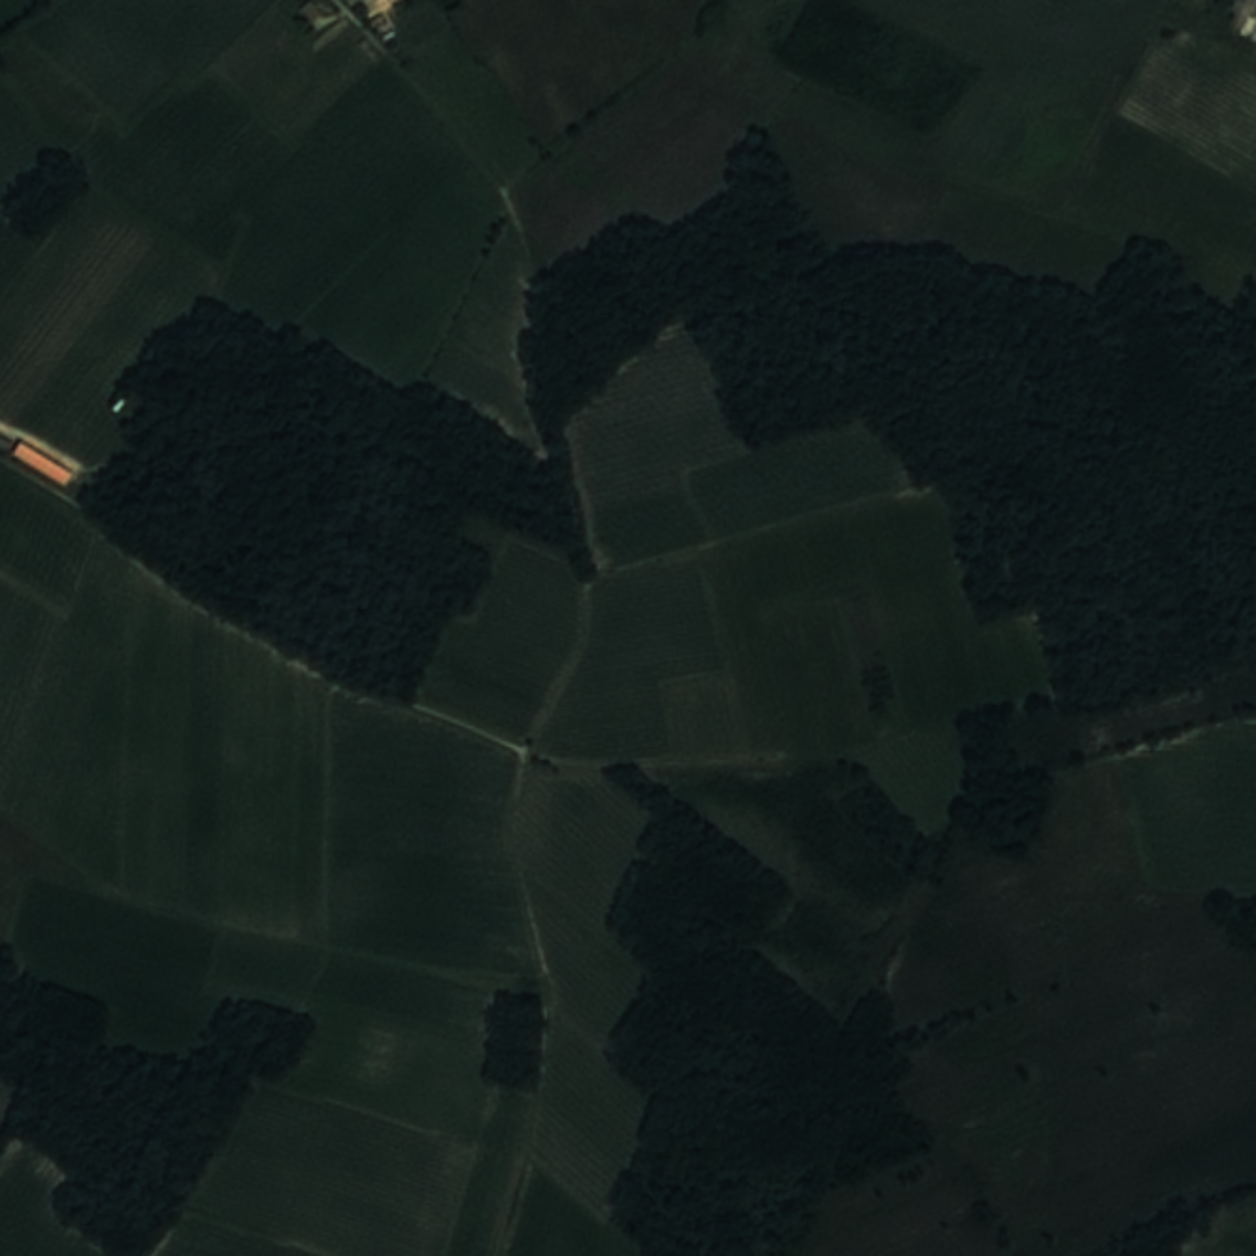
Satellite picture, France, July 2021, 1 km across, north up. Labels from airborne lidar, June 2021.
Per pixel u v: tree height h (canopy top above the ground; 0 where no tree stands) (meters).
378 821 0
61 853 0
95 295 0
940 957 0
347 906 0
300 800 0
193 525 26
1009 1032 0
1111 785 0
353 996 0
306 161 0
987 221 0
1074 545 13
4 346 0
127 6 0
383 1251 0
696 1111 16
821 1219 6
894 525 0
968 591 15
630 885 16
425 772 0
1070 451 23
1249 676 0
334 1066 0
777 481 0
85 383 0
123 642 0
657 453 0
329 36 0
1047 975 0
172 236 0
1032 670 0
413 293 0
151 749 0
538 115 0
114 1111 17
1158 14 0
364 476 26
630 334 18
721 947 9
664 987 16
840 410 20
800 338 15
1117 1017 0
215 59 0
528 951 0
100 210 0
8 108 0
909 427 20
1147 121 0
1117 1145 0
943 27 0
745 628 0
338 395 27
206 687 0
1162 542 16
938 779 0
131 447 9
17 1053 11
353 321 0
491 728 0
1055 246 0
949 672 0
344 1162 0
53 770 0
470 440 22
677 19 0
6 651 0
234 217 0
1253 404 11
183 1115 19
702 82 0
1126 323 14
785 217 24
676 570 0
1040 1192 0
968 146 0
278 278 0
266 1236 0
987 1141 0
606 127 0
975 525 17
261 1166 0
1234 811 0
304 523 19
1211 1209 20
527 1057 14
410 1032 0
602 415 0
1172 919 0
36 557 0
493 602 0
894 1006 6
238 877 0
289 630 19
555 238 0
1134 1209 0
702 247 18
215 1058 18
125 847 0
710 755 0
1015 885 0
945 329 19
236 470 18
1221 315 18
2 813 0
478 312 0
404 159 0
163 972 0
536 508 8
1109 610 14
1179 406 16
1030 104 0
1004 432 20
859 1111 12
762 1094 9
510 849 0
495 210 0
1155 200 0
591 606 0
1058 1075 0
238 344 22
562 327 16
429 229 0
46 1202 0
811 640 0
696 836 21
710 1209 16
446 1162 0
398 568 24
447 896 0
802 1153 15
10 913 0
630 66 0
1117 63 0
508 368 0
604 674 0
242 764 0
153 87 0
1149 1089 0
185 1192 11
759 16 0
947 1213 0
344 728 0
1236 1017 0
